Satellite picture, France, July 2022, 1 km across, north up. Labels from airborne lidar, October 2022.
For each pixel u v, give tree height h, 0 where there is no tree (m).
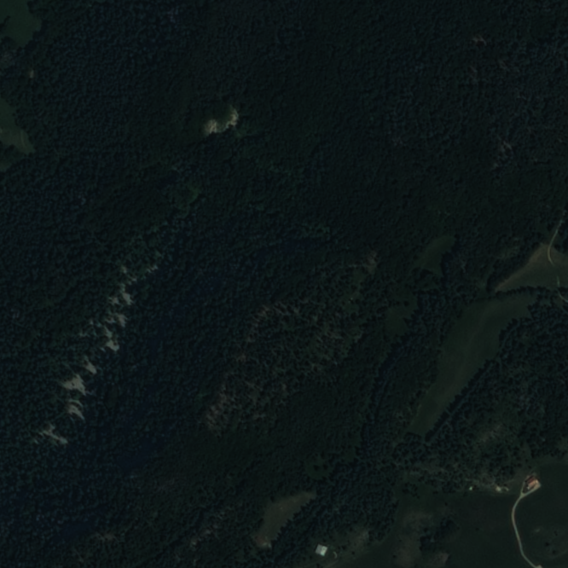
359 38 30
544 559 0
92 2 22
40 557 22
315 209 26
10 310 12
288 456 25
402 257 19
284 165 28
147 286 20
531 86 30
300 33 27
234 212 34
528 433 16
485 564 0
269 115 26
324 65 28
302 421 22
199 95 16
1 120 0
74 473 34
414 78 19
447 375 0
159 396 20
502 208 15
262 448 25
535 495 0
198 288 24
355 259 16
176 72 23
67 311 14
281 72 25
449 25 24
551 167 23
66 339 6
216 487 22
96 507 18
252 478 27
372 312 20
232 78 27
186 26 29
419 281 22
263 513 10
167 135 31
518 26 21
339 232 33
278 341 21
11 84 25
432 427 0
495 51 24
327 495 19
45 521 32
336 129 19
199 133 11
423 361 15
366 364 26
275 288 24
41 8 8
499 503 0
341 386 23
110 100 23
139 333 9
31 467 12
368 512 11
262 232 21
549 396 17
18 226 17
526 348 24
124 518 24
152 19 28
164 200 10
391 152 22
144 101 18
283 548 8
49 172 22
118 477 21
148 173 16
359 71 22
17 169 15
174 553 19
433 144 22
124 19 24
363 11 32
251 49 28
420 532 0
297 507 0
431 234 27
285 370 12
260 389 19
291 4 28
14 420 21
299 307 24
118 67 23
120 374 10
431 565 0
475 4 31
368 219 24
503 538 0
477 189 24
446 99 21
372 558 0
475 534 0
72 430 11
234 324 19
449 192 21
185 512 7
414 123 18
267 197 25
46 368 13
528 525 0
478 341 0
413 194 22
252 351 9
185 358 21
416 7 31
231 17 27
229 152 34
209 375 21
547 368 13
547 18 9
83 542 13
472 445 13
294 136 22
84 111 12
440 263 0
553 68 36
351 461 0
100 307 10
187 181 31
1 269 25
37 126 18
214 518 21
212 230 15
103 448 23
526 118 32
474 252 20
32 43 6
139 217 15
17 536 10
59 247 28
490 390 18
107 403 24
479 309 0
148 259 8
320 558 0
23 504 23
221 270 17
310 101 27
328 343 22
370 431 15
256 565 14
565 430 14
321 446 19
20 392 14
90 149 25
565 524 0
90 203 22
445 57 21
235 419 14
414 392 12
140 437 21
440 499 0
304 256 19
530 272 0
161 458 12
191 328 23
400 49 29
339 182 24
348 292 11
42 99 22
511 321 0
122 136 20
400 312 0
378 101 25
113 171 19
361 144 25
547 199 18
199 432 14
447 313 19
